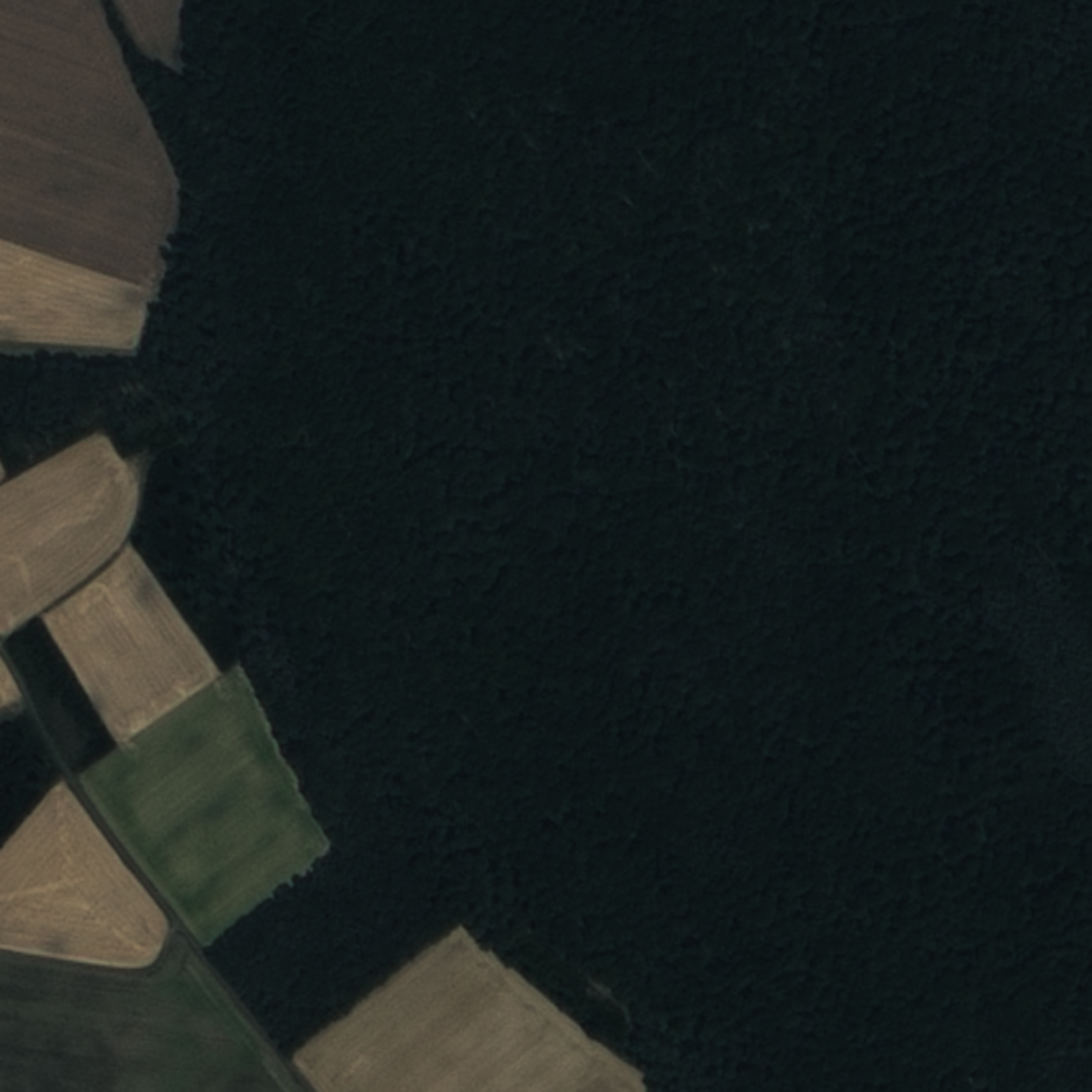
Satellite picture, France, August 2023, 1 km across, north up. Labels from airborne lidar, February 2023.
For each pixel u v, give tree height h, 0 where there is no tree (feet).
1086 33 67
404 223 77
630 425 84
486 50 75
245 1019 0
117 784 0
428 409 91
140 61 41
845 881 72
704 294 61
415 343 78
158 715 0
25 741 63
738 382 90
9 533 0
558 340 77
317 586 79
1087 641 56
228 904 0
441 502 76
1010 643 78
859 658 73
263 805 0
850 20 70
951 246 48
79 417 70
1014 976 64
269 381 93
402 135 71
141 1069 0
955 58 53
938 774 87
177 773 0
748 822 83
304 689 83
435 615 86
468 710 76
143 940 0
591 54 77
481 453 90
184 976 0
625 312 52
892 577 75
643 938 83
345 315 70
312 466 72
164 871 0
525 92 67
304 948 54
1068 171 60
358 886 45
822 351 78
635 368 78
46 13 0
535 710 77
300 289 79
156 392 69
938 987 83
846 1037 83
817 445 83
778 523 66
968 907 42
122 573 0
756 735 65
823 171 77
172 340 71
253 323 79
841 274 71
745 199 69
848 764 78
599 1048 0
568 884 89
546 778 73
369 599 74
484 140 76
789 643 61
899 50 69
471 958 0
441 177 70
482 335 89
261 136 79
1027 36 47
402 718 90
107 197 0
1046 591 51
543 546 75
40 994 0
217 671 0
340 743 65
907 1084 88
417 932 44
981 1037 68
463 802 90
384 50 75
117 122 0
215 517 76
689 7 91
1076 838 42
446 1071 0
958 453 46
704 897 83
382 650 70
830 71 64
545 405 88
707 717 94
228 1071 0
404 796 61
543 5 71
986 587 55
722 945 80
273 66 69
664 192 64
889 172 81
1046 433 82
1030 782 73
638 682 91
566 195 67
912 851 83
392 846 49
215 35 57
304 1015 62
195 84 71
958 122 62
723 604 76
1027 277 61
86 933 0
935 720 87
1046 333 45
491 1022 0
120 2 0
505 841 77
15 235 0
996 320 72
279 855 0
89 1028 0
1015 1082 81
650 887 82
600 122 60
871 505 68
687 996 83
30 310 0
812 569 72
